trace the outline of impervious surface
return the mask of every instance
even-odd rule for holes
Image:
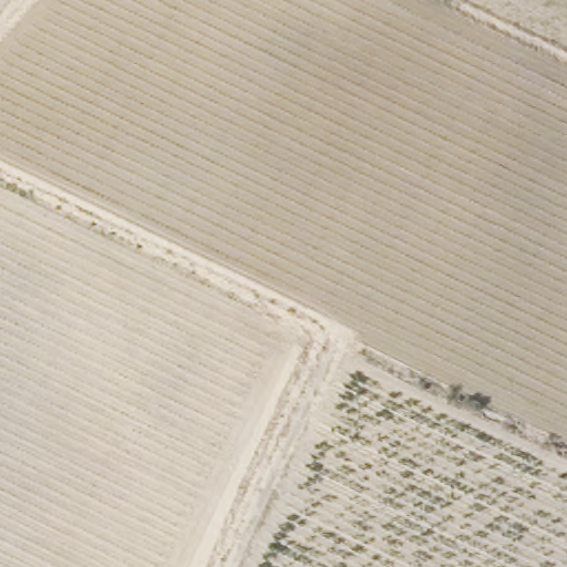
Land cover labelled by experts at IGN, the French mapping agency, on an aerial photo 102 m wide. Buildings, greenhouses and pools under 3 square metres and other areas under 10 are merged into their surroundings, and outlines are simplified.
[[[487,396],[465,394],[461,385],[450,388],[447,399],[456,408],[487,408]]]
[[[346,392],[341,396],[352,401],[363,396],[368,377],[363,372],[354,372],[346,383]]]

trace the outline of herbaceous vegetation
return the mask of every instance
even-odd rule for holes
[[[560,441],[558,434],[549,434],[543,447],[527,443],[514,434],[516,423],[505,423],[503,414],[489,412],[487,408],[456,408],[447,399],[432,396],[427,390],[421,388],[414,399],[396,403],[401,392],[370,392],[370,388],[379,385],[379,381],[368,377],[363,396],[352,401],[341,396],[337,410],[332,412],[332,416],[339,419],[339,425],[332,425],[332,432],[339,432],[339,441],[321,441],[315,445],[312,461],[308,463],[312,472],[303,483],[297,485],[299,489],[310,492],[310,505],[315,509],[303,507],[297,514],[290,514],[284,525],[279,525],[279,532],[272,536],[272,543],[264,554],[261,567],[567,567],[567,443]]]

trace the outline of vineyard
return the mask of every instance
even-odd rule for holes
[[[0,0],[0,567],[261,567],[264,554],[272,543],[272,536],[279,532],[279,525],[284,525],[290,514],[297,514],[303,507],[315,509],[310,505],[310,492],[299,489],[297,485],[303,483],[312,472],[308,463],[312,461],[315,445],[321,441],[339,441],[339,432],[332,432],[332,425],[339,425],[339,419],[332,416],[332,412],[337,410],[341,396],[346,392],[346,383],[354,372],[363,372],[368,377],[379,381],[379,385],[370,388],[370,392],[401,392],[396,403],[414,399],[421,388],[427,390],[432,396],[447,399],[450,388],[461,385],[465,394],[487,396],[487,408],[489,412],[503,414],[505,423],[516,423],[514,434],[527,443],[543,447],[549,434],[558,434],[560,441],[567,443],[567,0]]]

